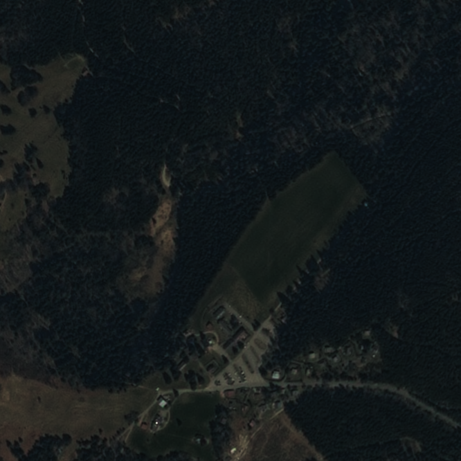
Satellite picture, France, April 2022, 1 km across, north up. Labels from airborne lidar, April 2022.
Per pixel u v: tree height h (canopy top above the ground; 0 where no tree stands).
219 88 25
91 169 27
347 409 25
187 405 0
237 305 0
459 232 20
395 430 20
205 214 21
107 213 23
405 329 11
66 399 0
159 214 0
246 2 28
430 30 17
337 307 16
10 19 21
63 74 0
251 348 0
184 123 17
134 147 20
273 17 24
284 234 0
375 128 8
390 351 17
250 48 22
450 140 21
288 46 23
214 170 7
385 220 26
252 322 0
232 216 24
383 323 18
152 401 0
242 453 0
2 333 7
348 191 0
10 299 20
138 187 25
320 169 0
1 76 0
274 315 16
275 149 25
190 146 30
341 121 25
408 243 21
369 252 24
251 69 27
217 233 22
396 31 17
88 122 25
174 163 25
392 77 9
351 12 38
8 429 0
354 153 22
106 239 23
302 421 23
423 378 21
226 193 28
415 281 18
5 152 6
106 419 0
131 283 7
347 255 23
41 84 0
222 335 0
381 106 15
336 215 0
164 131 23
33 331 16
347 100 17
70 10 24
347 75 14
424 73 18
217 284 0
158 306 17
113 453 19
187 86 19
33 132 0
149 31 25
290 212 0
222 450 17
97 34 25
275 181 27
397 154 28
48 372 11
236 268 0
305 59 34
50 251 18
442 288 18
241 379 0
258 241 0
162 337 19
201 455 0
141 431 0
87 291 29
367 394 22
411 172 21
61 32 21
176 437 0
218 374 0
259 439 0
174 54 26
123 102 21
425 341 11
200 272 22
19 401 0
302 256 0
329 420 24
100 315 19
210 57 26
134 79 26
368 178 24
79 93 14
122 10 18
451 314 16
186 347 25
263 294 0
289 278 0
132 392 0
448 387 17
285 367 17
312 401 23
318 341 20
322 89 19
